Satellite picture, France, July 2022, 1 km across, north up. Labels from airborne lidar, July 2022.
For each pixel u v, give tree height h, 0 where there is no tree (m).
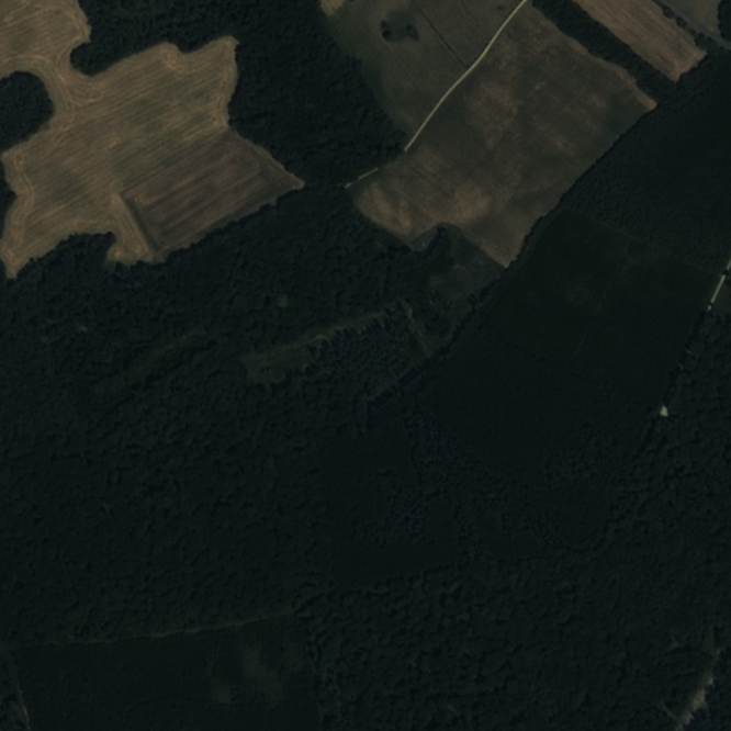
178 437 15
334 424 23
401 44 0
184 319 23
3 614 26
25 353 21
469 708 26
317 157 24
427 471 24
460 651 27
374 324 0
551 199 0
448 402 16
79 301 22
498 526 16
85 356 14
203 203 0
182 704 7
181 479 32
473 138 0
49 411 23
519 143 0
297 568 30
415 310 20
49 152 0
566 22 19
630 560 25
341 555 15
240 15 12
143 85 0
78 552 26
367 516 18
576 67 0
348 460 14
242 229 21
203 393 15
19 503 29
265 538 30
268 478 30
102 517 27
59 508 24
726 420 30
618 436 16
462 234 0
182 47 15
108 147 0
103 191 0
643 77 13
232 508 29
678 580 23
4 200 15
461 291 0
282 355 0
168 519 34
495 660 30
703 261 14
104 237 10
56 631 25
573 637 24
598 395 15
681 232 15
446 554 17
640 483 33
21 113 21
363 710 25
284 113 21
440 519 18
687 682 23
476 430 17
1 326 22
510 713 25
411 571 16
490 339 13
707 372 24
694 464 25
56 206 0
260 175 0
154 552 30
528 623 30
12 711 21
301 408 22
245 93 17
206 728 6
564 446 18
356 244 19
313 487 29
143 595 20
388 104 0
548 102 0
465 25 0
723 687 26
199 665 7
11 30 0
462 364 15
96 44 15
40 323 22
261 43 20
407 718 24
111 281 23
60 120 0
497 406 15
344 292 19
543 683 26
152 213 0
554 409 15
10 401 19
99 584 25
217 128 0
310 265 20
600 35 19
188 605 23
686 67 0
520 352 12
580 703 28
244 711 7
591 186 11
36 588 27
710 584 23
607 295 0
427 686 25
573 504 16
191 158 0
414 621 25
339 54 16
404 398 21
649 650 25
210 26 20
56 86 0
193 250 12
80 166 0
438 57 0
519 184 0
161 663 7
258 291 15
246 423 26
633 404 13
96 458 29
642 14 0
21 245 0
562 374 13
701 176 12
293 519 28
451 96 0
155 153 0
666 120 14
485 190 0
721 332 24
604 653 25
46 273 20
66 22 0
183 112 0
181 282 23
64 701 6
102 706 7
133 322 24
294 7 23
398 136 19
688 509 32
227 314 17
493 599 25
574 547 17
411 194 0
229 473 30
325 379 10
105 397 13
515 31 0
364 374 25
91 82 0
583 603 27
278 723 7
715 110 13
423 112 0
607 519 14
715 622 24
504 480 16
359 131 19
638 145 11
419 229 0
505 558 15
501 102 0
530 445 14
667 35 0
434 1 0
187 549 24
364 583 17
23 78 16
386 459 14
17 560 27
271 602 28
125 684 6
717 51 18
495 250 0
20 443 28
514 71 0
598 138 0
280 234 19
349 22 0
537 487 17
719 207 17
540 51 0
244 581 27
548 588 21
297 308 19
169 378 15
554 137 0
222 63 0
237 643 6
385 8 0
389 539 16
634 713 28
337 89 22
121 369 9
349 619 23
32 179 0
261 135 14
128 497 28
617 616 21
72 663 7
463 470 24
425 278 26
